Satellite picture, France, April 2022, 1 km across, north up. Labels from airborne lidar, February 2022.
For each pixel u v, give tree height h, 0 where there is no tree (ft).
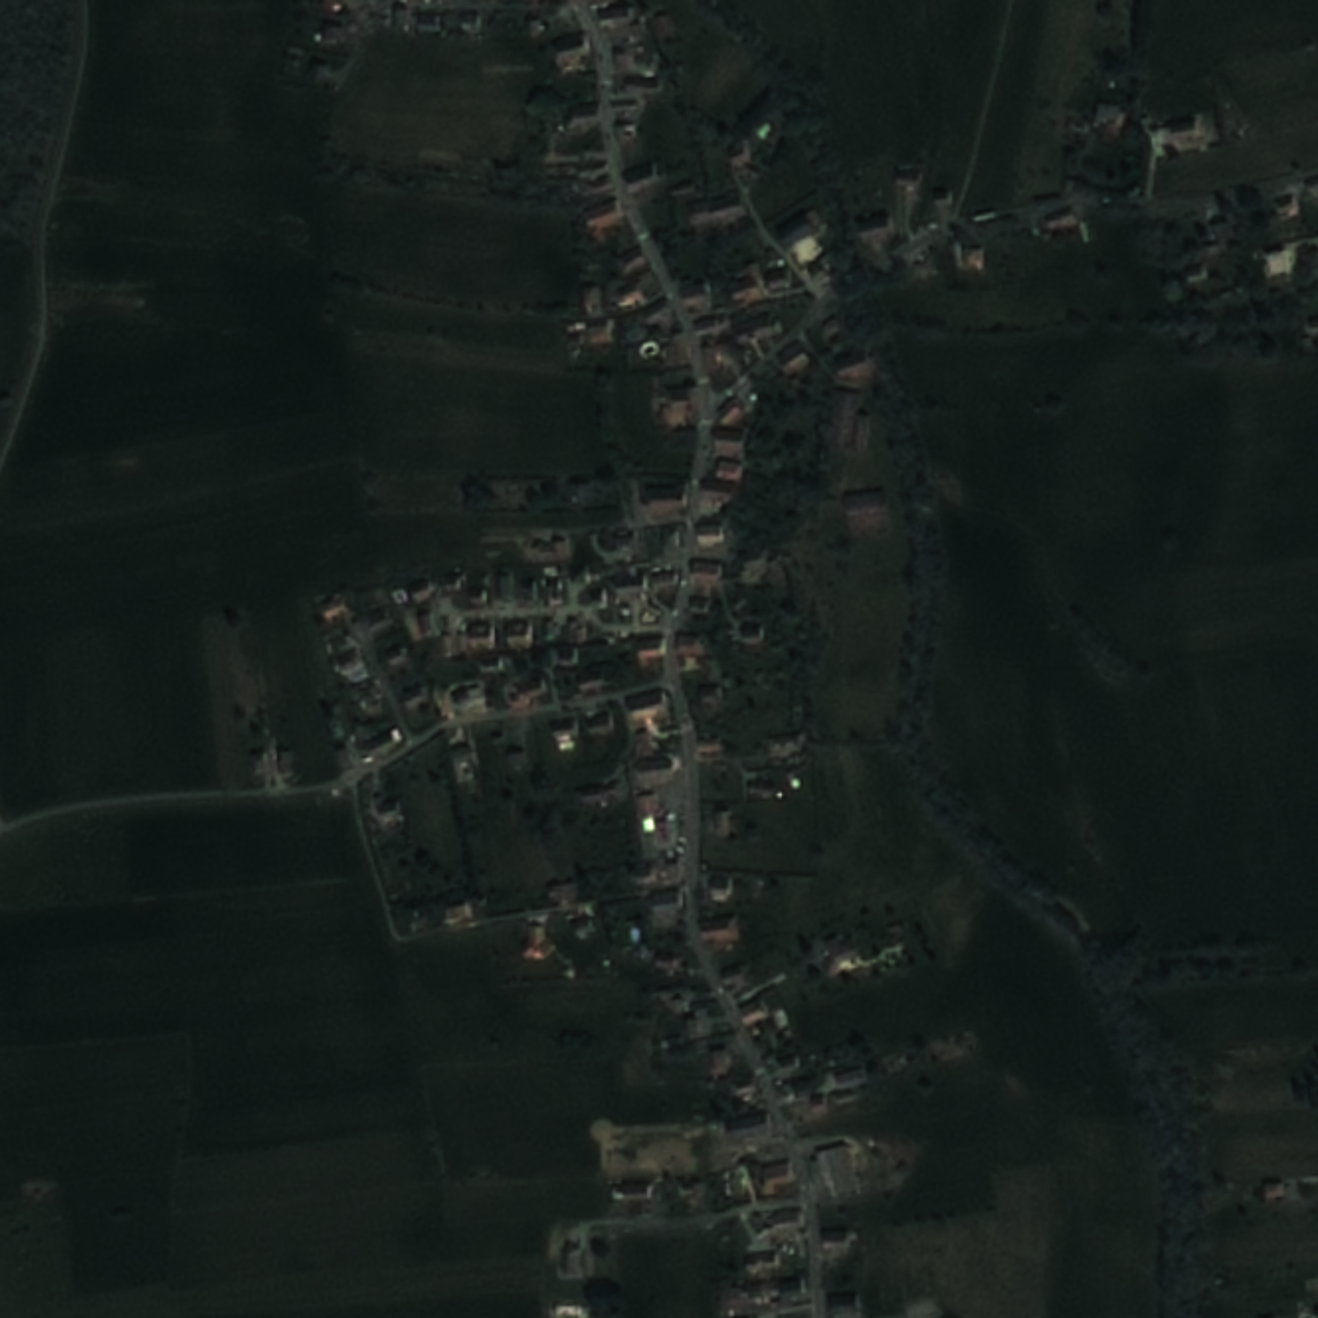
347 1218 0
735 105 0
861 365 0
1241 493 0
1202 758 0
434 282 0
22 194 49
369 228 0
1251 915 0
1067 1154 0
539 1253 0
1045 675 0
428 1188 0
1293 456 0
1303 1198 36
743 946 0
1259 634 0
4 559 0
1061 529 0
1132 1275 0
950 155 0
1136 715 0
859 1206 0
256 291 0
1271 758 0
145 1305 0
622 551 0
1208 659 0
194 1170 0
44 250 0
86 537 0
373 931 0
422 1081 0
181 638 0
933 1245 0
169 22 0
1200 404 0
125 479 0
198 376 0
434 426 0
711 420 0
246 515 0
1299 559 0
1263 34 0
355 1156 0
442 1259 0
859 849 0
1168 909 0
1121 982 72
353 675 0
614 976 0
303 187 0
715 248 61
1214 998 0
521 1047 0
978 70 0
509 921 0
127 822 0
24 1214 0
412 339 0
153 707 0
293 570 0
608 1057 0
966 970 0
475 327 0
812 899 0
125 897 0
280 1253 0
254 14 0
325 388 0
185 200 0
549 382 0
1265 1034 0
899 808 0
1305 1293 0
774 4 0
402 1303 0
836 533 0
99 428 0
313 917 0
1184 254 36
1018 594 0
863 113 0
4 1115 0
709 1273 0
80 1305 0
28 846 0
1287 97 0
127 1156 0
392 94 0
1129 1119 0
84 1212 0
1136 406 0
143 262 0
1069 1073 0
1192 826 0
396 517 0
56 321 0
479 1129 0
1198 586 0
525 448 0
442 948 0
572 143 0
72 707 0
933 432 0
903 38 0
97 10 0
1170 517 0
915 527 52
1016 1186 0
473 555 0
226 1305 0
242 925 0
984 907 0
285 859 0
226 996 0
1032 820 0
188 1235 0
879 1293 0
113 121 0
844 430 0
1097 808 0
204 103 0
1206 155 0
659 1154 0
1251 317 39
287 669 0
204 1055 0
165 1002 0
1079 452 0
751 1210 0
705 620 30
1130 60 47
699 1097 0
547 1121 0
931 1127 0
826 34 0
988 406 0
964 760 0
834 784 0
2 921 0
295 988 0
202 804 0
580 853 0
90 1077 0
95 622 0
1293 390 0
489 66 0
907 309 0
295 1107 0
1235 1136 0
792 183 0
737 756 39
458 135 0
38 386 0
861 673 0
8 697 0
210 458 0
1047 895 68
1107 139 46
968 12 0
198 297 0
